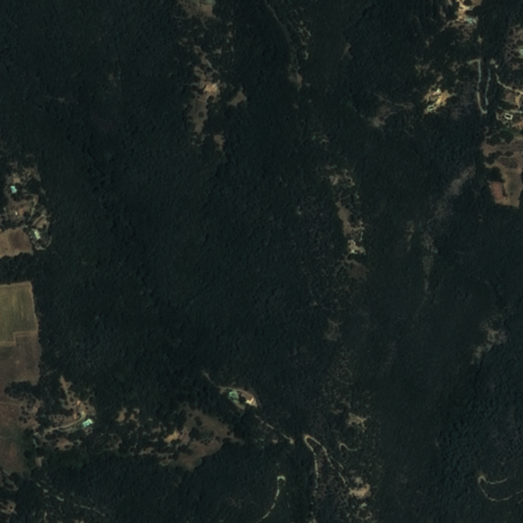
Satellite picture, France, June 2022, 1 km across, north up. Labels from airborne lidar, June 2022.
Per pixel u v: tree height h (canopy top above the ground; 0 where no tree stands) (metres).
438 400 9
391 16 19
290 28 12
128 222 10
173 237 9
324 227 10
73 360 15
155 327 20
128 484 14
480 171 11
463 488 9
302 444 9
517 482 11
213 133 12
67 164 11
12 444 0
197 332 14
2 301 0
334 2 8
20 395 6
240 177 11
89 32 8
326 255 9
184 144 10
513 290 7
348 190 6
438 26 10
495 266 9
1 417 0
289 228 13
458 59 9
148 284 17
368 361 9
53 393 9
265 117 15
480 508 9
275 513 7
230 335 15
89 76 15
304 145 8
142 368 17
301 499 10
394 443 7
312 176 9
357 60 11
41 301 7
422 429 7
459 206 10
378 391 8
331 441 11
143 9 11
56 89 18
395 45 13
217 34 11
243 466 16
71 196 12
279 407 10
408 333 7
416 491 5
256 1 13
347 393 11
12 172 10
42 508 8
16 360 0
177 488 8
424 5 11
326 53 7
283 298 11
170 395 16
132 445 10
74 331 8
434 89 11
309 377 11
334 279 11
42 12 11
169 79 15
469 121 6
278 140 14
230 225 11
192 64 6
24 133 14
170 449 8
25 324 0
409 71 7
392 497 7
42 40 15
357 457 8
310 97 11
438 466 13
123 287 17
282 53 16
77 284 11
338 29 10
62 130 27
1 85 11
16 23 10
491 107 13
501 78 6
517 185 0
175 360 17
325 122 12
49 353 5
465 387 8
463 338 11
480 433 11
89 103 15
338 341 7
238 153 18
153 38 10
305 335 8
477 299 6
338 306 7
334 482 6
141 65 15
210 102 10
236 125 13
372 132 6
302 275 11
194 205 10
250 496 12
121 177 15
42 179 7
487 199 11
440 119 11
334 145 11
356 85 12
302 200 9
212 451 0
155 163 10
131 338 15
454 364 10
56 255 7
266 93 17
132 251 22
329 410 10
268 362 9
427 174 8
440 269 8
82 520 7
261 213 12
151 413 8
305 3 12
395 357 7
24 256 7
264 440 6
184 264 8
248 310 16
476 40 7
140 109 18
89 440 10
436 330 6
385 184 10
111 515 10
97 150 20
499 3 8
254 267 9
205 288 8
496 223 11
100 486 13
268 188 9
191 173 7
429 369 7
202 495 17
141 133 14
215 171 8
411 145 11
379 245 8
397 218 8
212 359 15
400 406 9
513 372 8
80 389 13
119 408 12
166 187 11
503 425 7
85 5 8
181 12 10
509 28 6
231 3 14
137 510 8
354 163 13
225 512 9
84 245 13
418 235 12
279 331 13
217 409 12
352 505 8
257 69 16
